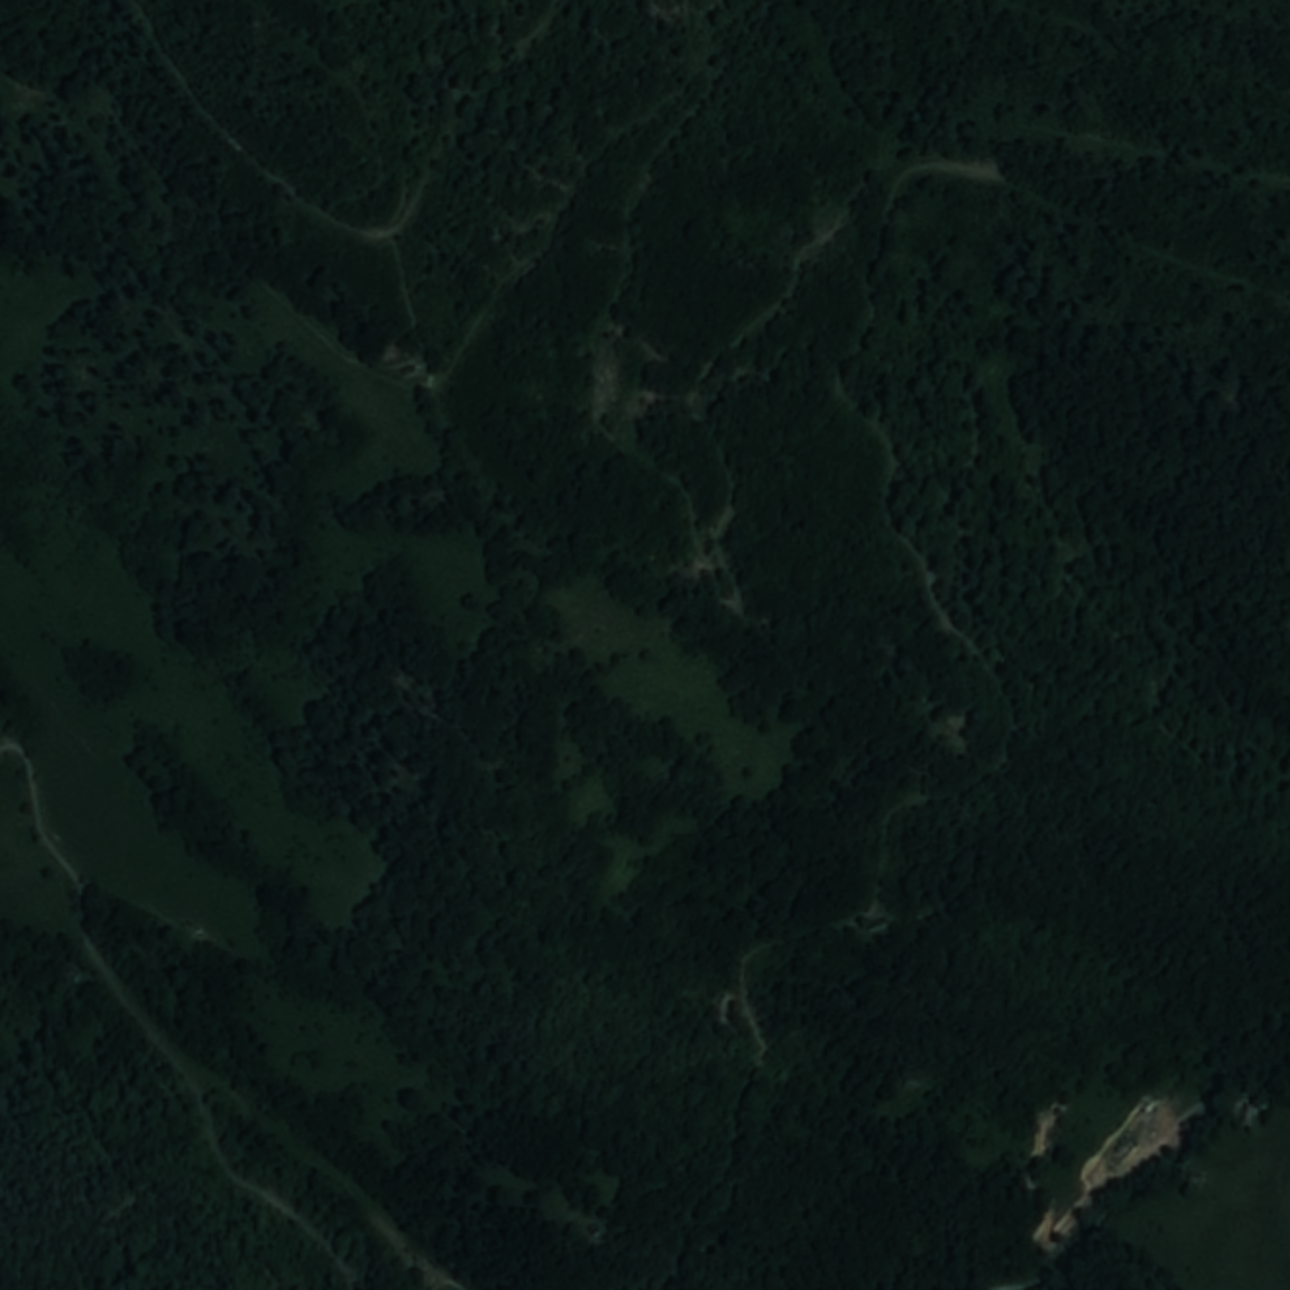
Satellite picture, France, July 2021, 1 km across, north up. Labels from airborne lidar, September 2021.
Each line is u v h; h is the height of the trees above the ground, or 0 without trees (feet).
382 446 0
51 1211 63
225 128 37
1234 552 38
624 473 58
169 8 23
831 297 45
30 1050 88
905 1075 49
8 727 36
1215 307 18
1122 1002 89
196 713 0
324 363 0
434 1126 36
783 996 105
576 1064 39
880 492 80
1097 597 92
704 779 48
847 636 95
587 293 59
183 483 52
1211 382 26
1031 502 60
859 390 53
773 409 66
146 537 35
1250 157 28
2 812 0
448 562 0
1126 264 39
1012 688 53
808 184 68
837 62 60
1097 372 63
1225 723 103
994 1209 56
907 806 20
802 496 59
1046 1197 78
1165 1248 0
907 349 45
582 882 70
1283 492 73
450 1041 54
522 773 61
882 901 23
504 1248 54
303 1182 25
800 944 37
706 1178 63
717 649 78
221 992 56
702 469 53
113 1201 61
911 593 38
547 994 41
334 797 65
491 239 81
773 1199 56
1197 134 28
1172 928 84
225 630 23
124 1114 19
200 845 47
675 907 50
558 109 94
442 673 89
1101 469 44
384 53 36
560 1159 63
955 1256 75
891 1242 71
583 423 68
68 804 0
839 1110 32
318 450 74
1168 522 61
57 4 38
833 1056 75
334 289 39
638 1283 62
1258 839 91
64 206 82
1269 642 58
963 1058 59
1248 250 23
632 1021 55
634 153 50
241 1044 33
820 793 24
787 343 55
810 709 43
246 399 90
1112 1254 65
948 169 0
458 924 66
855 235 24
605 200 56
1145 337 100
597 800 0
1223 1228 0
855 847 43
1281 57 66
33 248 98
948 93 49
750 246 64
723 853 83
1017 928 128
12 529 37
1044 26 38
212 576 66
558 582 29
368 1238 31
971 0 44
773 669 89
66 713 0
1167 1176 59
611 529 49
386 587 45
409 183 25
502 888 78
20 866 0
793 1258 60
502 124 99
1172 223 20
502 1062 96
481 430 27
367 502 47
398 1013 83
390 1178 37
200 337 89
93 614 0
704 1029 89
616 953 92
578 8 44
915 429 87
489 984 51
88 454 87
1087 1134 0
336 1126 37
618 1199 49
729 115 61
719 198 73
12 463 28
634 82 54
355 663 71
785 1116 98
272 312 0
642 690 0
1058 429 82
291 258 44
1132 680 119
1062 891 40
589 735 56
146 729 27
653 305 59
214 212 25
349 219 56
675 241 47
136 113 77
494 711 86
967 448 51
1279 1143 0
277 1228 19
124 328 68
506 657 62
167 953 26
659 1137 42
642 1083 55
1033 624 96
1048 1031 71
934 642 62
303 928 55
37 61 54
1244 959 48
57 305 0
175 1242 62
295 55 29
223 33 37
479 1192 56
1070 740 132
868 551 71
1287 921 86
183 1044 40
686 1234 57
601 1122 64
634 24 46
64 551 0
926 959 65
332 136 36
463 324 27
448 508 54
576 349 51
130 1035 51
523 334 55
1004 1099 60
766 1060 28
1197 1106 0
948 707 93
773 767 0
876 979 66
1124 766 103
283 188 55
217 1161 75
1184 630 40
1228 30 53
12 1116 38
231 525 63
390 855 75
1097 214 51
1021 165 67
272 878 29
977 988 84
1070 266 31
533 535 65
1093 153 36
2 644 0
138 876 0
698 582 37
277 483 99
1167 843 62
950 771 58
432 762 115
